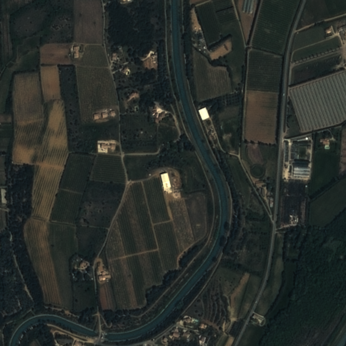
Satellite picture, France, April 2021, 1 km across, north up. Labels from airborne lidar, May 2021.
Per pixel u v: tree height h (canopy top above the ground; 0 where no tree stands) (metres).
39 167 0
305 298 14
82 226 6
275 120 0
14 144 0
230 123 0
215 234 10
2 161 0
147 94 7
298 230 14
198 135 0
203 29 6
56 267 0
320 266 14
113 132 0
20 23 0
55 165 0
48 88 0
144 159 0
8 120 0
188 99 0
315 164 0
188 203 0
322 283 16
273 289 0
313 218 0
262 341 10
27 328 0
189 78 10
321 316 10
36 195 0
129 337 0
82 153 7
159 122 8
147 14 6
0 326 8
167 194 0
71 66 11
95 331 0
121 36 9
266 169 0
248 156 0
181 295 0
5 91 0
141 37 7
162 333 0
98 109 0
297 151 0
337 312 6
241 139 15
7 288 12
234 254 6
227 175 14
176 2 0
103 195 0
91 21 0
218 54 0
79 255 9
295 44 0
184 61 0
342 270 17
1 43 7
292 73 0
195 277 0
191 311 0
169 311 0
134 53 9
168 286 15
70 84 0
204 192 0
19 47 0
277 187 0
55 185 0
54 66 0
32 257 0
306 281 17
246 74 11
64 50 0
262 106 0
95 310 10
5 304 13
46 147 0
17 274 12
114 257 0
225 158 7
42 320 7
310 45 0
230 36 11
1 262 12
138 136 6
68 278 0
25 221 7
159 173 0
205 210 0
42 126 0
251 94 0
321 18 0
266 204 0
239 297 0
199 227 0
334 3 0
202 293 0
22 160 0
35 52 0
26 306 11
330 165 0
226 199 0
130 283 0
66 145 0
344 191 0
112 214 0
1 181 0
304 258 18
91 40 0
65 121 0
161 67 16
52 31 0
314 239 6
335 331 7
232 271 0
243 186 0
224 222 0
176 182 0
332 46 0
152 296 9
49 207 0
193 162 0
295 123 0
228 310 9
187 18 8
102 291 0
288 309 12
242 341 0
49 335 8
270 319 6
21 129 0
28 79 0
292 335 8
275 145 7
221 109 16
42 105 0
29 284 11
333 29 0
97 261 0
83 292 0
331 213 0
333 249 19
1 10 6
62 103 0
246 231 7
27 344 7
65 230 0
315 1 0
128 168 0
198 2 0
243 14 0
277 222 10
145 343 0
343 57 0
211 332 8
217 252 0
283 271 6
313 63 0
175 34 0
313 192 0
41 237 0
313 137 7
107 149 0
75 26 0
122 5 7
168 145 9
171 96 16
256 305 0
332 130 8
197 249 13
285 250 13
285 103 0
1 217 0
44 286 0
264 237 0
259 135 0
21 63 0
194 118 0
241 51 0
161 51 11
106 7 7
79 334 0
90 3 0
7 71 0
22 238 8
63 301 0
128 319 7
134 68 0
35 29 0
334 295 17
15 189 12
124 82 6
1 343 6
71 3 0
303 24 0
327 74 10
